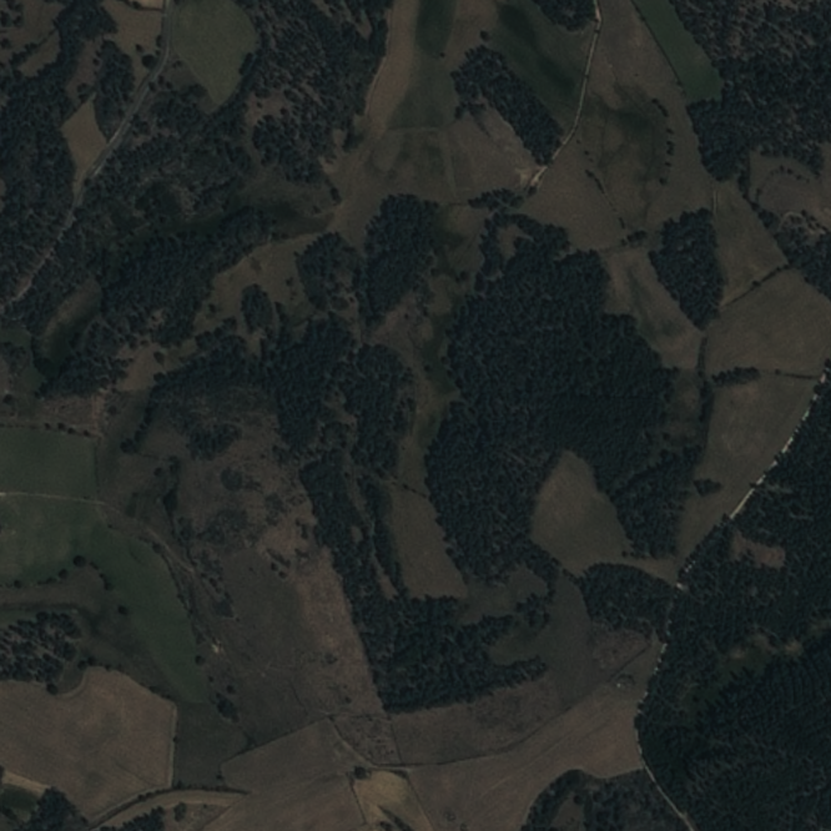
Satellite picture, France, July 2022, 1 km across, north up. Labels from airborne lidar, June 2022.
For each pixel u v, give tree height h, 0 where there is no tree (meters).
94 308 0
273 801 0
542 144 18
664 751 11
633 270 0
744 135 19
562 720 0
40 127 9
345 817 0
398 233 17
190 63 0
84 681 0
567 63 0
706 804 16
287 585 0
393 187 0
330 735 0
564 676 0
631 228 0
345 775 0
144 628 0
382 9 14
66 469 0
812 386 0
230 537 0
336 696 0
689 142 0
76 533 0
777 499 20
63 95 18
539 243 14
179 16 0
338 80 9
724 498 0
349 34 18
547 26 0
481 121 0
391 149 0
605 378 7
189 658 0
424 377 0
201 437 9
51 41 0
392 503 0
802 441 20
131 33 0
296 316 0
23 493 0
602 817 12
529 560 16
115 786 0
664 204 0
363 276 17
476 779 0
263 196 0
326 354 15
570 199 0
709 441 0
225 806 0
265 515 0
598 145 0
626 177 0
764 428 0
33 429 0
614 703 0
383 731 0
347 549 17
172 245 14
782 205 0
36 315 18
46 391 18
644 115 0
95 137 0
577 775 11
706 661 15
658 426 20
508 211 10
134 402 0
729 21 19
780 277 0
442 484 13
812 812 9
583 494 0
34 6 0
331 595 0
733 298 0
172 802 0
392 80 0
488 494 16
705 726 21
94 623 0
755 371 13
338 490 17
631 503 21
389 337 0
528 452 16
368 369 15
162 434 0
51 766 0
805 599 23
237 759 0
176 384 9
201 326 0
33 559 0
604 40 0
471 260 0
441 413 0
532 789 0
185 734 0
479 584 0
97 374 17
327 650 0
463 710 0
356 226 0
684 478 20
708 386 10
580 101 0
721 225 0
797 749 14
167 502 14
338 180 0
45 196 13
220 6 0
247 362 16
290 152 17
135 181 10
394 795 0
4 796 0
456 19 0
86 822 11
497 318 13
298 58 19
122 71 18
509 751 0
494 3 0
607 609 14
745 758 17
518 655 0
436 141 0
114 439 0
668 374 16
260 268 0
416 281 14
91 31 13
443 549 0
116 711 0
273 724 0
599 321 14
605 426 16
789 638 25
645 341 18
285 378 17
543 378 18
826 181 0
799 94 20
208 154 11
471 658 22
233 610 0
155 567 0
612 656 0
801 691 16
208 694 0
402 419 21
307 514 0
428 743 0
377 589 11
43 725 0
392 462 15
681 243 19
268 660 0
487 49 15
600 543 0
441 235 0
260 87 17
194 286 9
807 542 19
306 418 21
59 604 0
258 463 0
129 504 0
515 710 0
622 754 0
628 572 19
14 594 0
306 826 0
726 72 19
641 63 0
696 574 20
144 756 0
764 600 16
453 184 0
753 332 0
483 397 12
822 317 0
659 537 22
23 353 7
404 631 13
